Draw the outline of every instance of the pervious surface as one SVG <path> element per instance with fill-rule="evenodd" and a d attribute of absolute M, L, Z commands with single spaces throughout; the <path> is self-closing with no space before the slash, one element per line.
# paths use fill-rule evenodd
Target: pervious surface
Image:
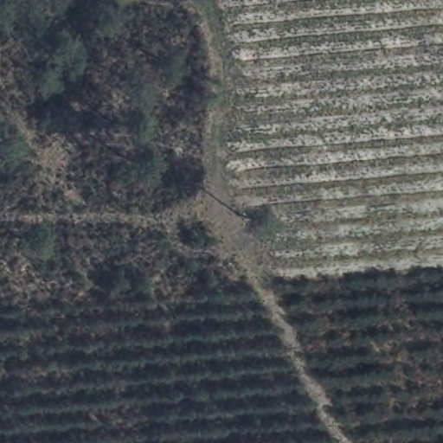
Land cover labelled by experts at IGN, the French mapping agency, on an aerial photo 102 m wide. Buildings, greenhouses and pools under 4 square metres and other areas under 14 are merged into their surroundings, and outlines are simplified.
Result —
<path fill-rule="evenodd" d="M 221 80 L 213 74 L 218 71 L 221 64 L 221 57 L 215 47 L 209 48 L 206 52 L 209 59 L 209 74 L 206 80 L 202 81 L 202 87 L 206 88 L 206 97 L 208 106 L 215 100 L 215 93 L 218 92 Z"/>

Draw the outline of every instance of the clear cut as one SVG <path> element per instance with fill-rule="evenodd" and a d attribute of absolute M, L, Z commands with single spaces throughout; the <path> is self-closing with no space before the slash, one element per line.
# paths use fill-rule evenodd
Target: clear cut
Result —
<path fill-rule="evenodd" d="M 218 92 L 215 93 L 215 100 L 208 106 L 202 144 L 204 154 L 201 163 L 206 175 L 202 178 L 199 192 L 204 192 L 211 199 L 227 208 L 228 213 L 239 218 L 247 218 L 246 232 L 256 235 L 261 223 L 266 220 L 266 213 L 272 211 L 275 218 L 284 221 L 289 227 L 275 232 L 275 244 L 275 251 L 296 249 L 301 251 L 301 256 L 310 258 L 329 254 L 336 256 L 337 263 L 401 260 L 415 258 L 417 254 L 443 256 L 443 0 L 218 0 L 218 7 L 225 19 L 225 33 L 241 48 L 241 52 L 234 54 L 234 57 L 237 57 L 234 66 L 223 67 L 221 64 L 218 71 L 213 74 L 221 80 Z"/>

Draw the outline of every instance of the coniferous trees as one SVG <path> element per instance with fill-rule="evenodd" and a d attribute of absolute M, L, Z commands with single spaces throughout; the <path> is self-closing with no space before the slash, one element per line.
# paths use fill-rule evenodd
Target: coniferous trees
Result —
<path fill-rule="evenodd" d="M 126 272 L 132 270 L 133 266 L 119 263 L 119 270 L 112 280 L 109 296 L 112 311 L 166 308 L 173 305 L 166 294 L 163 299 L 156 299 L 156 284 L 151 280 L 128 282 Z"/>
<path fill-rule="evenodd" d="M 395 299 L 369 296 L 320 303 L 298 301 L 284 308 L 287 324 L 291 324 L 296 332 L 301 351 L 315 353 L 336 346 L 356 344 L 370 348 L 372 341 L 386 341 L 386 334 L 350 339 L 350 331 L 355 327 L 381 324 L 384 315 L 365 315 L 329 322 L 327 313 L 348 306 L 395 305 Z"/>
<path fill-rule="evenodd" d="M 31 57 L 33 64 L 45 73 L 42 95 L 48 97 L 62 92 L 62 88 L 69 87 L 85 71 L 87 50 L 81 40 L 92 31 L 92 28 L 99 36 L 114 38 L 123 33 L 125 22 L 144 19 L 142 10 L 133 10 L 132 0 L 0 0 L 0 38 L 12 31 L 12 22 L 16 19 L 17 12 L 28 19 L 35 19 L 38 22 L 38 31 L 45 33 L 55 17 L 64 16 L 67 9 L 76 10 L 73 28 L 61 29 L 61 45 L 47 50 L 38 48 L 36 54 Z"/>
<path fill-rule="evenodd" d="M 43 241 L 40 256 L 42 260 L 48 260 L 54 253 L 59 234 L 52 232 Z"/>
<path fill-rule="evenodd" d="M 400 284 L 407 287 L 422 282 L 422 291 L 417 294 L 405 294 L 405 301 L 443 301 L 443 266 L 412 266 L 408 270 L 396 270 L 395 277 L 356 279 L 351 282 L 344 279 L 343 275 L 341 275 L 339 291 L 363 287 L 393 287 Z"/>
<path fill-rule="evenodd" d="M 396 379 L 396 372 L 381 370 L 362 376 L 322 377 L 317 381 L 325 391 L 337 386 L 343 391 L 350 391 L 353 386 L 393 382 Z"/>
<path fill-rule="evenodd" d="M 196 126 L 197 133 L 194 137 L 196 142 L 202 144 L 208 106 L 206 97 L 197 97 L 192 93 L 194 107 L 177 121 L 177 125 L 187 123 Z"/>
<path fill-rule="evenodd" d="M 407 381 L 424 386 L 427 386 L 431 379 L 443 381 L 443 348 L 426 348 L 408 353 L 405 362 L 405 365 L 410 365 L 410 372 L 405 374 Z"/>
<path fill-rule="evenodd" d="M 142 112 L 140 125 L 140 137 L 133 140 L 135 149 L 147 144 L 154 135 L 157 112 L 154 111 L 154 104 L 157 97 L 168 97 L 171 88 L 189 74 L 185 64 L 187 55 L 178 50 L 178 45 L 168 45 L 171 54 L 170 66 L 152 69 L 144 66 L 142 73 L 135 74 L 132 106 Z"/>
<path fill-rule="evenodd" d="M 272 320 L 270 310 L 263 305 L 258 310 L 189 313 L 190 322 L 241 320 L 253 317 L 266 317 Z"/>
<path fill-rule="evenodd" d="M 253 289 L 246 292 L 221 292 L 218 296 L 201 294 L 199 301 L 260 301 L 258 292 Z"/>
<path fill-rule="evenodd" d="M 362 422 L 389 421 L 393 417 L 393 408 L 398 401 L 405 400 L 408 405 L 417 407 L 417 401 L 429 395 L 427 391 L 408 391 L 396 395 L 381 393 L 339 396 L 331 401 L 331 403 L 336 407 L 363 401 L 388 403 L 386 412 L 365 412 L 360 415 L 334 417 L 341 429 L 343 426 L 360 426 Z"/>
<path fill-rule="evenodd" d="M 443 426 L 369 431 L 351 434 L 348 438 L 350 443 L 443 443 Z"/>
<path fill-rule="evenodd" d="M 275 244 L 275 232 L 289 227 L 284 221 L 275 218 L 272 211 L 266 213 L 266 220 L 261 223 L 256 235 L 258 241 Z"/>
<path fill-rule="evenodd" d="M 119 369 L 133 370 L 156 363 L 196 362 L 244 356 L 286 356 L 287 344 L 284 343 L 279 346 L 258 346 L 242 350 L 192 351 L 180 355 L 123 358 L 119 360 Z"/>
<path fill-rule="evenodd" d="M 104 322 L 81 320 L 80 324 L 66 325 L 66 332 L 80 334 L 118 331 L 123 327 L 137 325 L 161 327 L 177 324 L 177 317 L 170 315 Z"/>
<path fill-rule="evenodd" d="M 189 246 L 199 247 L 202 251 L 215 244 L 215 237 L 209 237 L 202 221 L 194 223 L 187 227 L 194 241 Z"/>
<path fill-rule="evenodd" d="M 275 286 L 272 292 L 277 299 L 289 292 L 315 291 L 313 279 L 308 279 L 306 284 L 301 286 Z"/>
<path fill-rule="evenodd" d="M 48 346 L 48 353 L 128 348 L 132 346 L 132 339 L 128 337 L 99 343 L 54 344 Z"/>
<path fill-rule="evenodd" d="M 196 400 L 280 395 L 280 386 L 251 386 L 201 391 L 197 393 Z"/>
<path fill-rule="evenodd" d="M 356 363 L 374 362 L 376 351 L 370 348 L 365 355 L 339 356 L 305 362 L 306 369 L 337 369 L 351 367 Z"/>
<path fill-rule="evenodd" d="M 196 374 L 170 372 L 166 376 L 135 377 L 125 381 L 106 379 L 59 386 L 0 389 L 0 398 L 61 395 L 83 389 L 87 393 L 95 389 L 123 391 L 151 384 L 239 379 L 254 374 L 292 372 L 298 376 L 298 370 L 291 362 L 286 365 L 251 365 L 241 369 L 201 370 Z"/>
<path fill-rule="evenodd" d="M 213 408 L 159 414 L 157 421 L 216 419 L 220 415 L 220 408 Z"/>
<path fill-rule="evenodd" d="M 14 337 L 29 339 L 52 336 L 57 332 L 57 325 L 0 331 L 0 341 Z"/>
<path fill-rule="evenodd" d="M 26 241 L 0 241 L 0 261 L 9 263 L 9 260 L 14 258 L 12 251 L 21 251 L 22 244 L 26 244 Z"/>
<path fill-rule="evenodd" d="M 284 331 L 273 324 L 260 329 L 235 329 L 208 334 L 190 332 L 175 336 L 151 337 L 149 346 L 170 346 L 171 343 L 182 344 L 190 341 L 218 343 L 234 337 L 282 337 Z"/>
<path fill-rule="evenodd" d="M 161 182 L 161 177 L 166 171 L 166 159 L 159 147 L 154 147 L 149 163 L 130 161 L 126 168 L 119 166 L 116 170 L 116 180 L 132 189 L 151 189 Z"/>
<path fill-rule="evenodd" d="M 17 377 L 42 377 L 48 374 L 74 374 L 81 370 L 97 370 L 100 369 L 100 360 L 87 360 L 17 367 L 14 374 Z"/>
<path fill-rule="evenodd" d="M 235 417 L 253 417 L 253 422 L 247 426 L 163 431 L 128 436 L 104 434 L 97 436 L 97 443 L 247 443 L 254 434 L 325 429 L 324 422 L 318 417 L 315 421 L 261 424 L 261 415 L 265 414 L 317 410 L 317 401 L 311 398 L 310 401 L 303 403 L 232 408 Z"/>
<path fill-rule="evenodd" d="M 19 133 L 16 135 L 16 142 L 10 147 L 10 170 L 21 163 L 24 157 L 29 151 L 29 140 Z"/>
<path fill-rule="evenodd" d="M 183 396 L 182 393 L 177 393 L 173 396 L 152 395 L 145 398 L 64 405 L 29 405 L 0 410 L 0 417 L 90 412 L 118 407 L 130 408 L 135 405 L 147 407 L 152 403 L 180 403 Z"/>
<path fill-rule="evenodd" d="M 88 419 L 0 427 L 0 443 L 9 443 L 10 438 L 16 434 L 93 429 L 99 427 L 99 421 Z"/>

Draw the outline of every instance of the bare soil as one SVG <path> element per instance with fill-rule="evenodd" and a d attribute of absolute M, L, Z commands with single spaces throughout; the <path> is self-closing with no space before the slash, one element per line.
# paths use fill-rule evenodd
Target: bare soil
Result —
<path fill-rule="evenodd" d="M 417 254 L 415 258 L 401 260 L 337 263 L 336 256 L 329 254 L 310 258 L 301 256 L 301 251 L 296 249 L 275 251 L 275 244 L 258 241 L 256 235 L 246 232 L 247 218 L 239 218 L 228 213 L 227 208 L 211 199 L 209 208 L 215 216 L 216 223 L 232 244 L 242 247 L 235 258 L 242 268 L 246 268 L 247 284 L 251 284 L 253 289 L 258 292 L 260 301 L 263 305 L 270 310 L 272 320 L 273 324 L 284 331 L 282 337 L 284 343 L 287 344 L 286 356 L 291 362 L 298 370 L 298 376 L 311 398 L 317 401 L 317 410 L 318 417 L 324 422 L 325 429 L 337 443 L 350 443 L 348 438 L 341 429 L 334 417 L 325 412 L 325 407 L 331 403 L 331 401 L 325 396 L 325 391 L 317 381 L 306 374 L 306 369 L 305 362 L 294 353 L 301 351 L 296 332 L 291 324 L 287 324 L 284 308 L 279 306 L 277 299 L 272 292 L 275 286 L 273 279 L 277 275 L 292 279 L 305 275 L 308 279 L 313 279 L 322 273 L 341 275 L 343 275 L 350 272 L 365 272 L 369 268 L 396 270 L 408 270 L 412 266 L 443 266 L 443 256 Z"/>

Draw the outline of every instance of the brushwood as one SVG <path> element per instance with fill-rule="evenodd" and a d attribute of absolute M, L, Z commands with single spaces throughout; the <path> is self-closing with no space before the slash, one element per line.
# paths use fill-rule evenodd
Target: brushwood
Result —
<path fill-rule="evenodd" d="M 317 410 L 265 414 L 261 415 L 261 424 L 315 421 L 318 417 Z"/>
<path fill-rule="evenodd" d="M 54 253 L 48 260 L 42 260 L 40 256 L 43 241 L 52 232 L 59 234 Z M 147 227 L 135 227 L 133 223 L 123 221 L 0 221 L 0 241 L 26 241 L 26 244 L 22 244 L 21 251 L 12 251 L 14 258 L 9 260 L 9 263 L 0 261 L 0 331 L 57 325 L 57 332 L 52 336 L 29 339 L 14 337 L 0 341 L 0 389 L 59 386 L 106 379 L 125 381 L 135 377 L 166 376 L 170 372 L 196 374 L 201 370 L 241 369 L 251 365 L 286 365 L 291 362 L 286 356 L 244 356 L 196 362 L 156 363 L 133 370 L 119 369 L 119 360 L 123 358 L 180 355 L 192 351 L 242 350 L 258 346 L 279 346 L 284 343 L 282 337 L 234 337 L 218 343 L 190 341 L 182 344 L 171 343 L 170 346 L 149 346 L 151 337 L 175 336 L 190 332 L 208 334 L 235 329 L 260 329 L 273 324 L 272 320 L 266 317 L 253 317 L 241 320 L 190 322 L 189 313 L 258 310 L 263 305 L 260 301 L 199 301 L 201 294 L 218 296 L 221 292 L 246 292 L 253 289 L 251 284 L 247 284 L 246 268 L 242 268 L 235 258 L 218 258 L 211 254 L 199 258 L 185 258 L 175 249 L 170 249 L 171 234 Z M 166 294 L 173 305 L 166 308 L 112 311 L 109 296 L 112 280 L 119 270 L 119 263 L 133 266 L 132 270 L 126 272 L 128 282 L 151 280 L 156 284 L 156 299 L 163 299 Z M 123 327 L 118 331 L 80 334 L 66 332 L 66 325 L 80 324 L 81 320 L 104 322 L 170 315 L 177 317 L 177 324 L 161 327 L 137 325 Z M 48 346 L 54 344 L 99 343 L 128 337 L 132 339 L 132 346 L 128 348 L 48 353 Z M 87 360 L 100 360 L 100 369 L 97 370 L 81 370 L 74 374 L 48 374 L 42 377 L 17 377 L 14 374 L 17 367 Z"/>
<path fill-rule="evenodd" d="M 381 324 L 355 327 L 350 331 L 350 339 L 386 334 L 386 341 L 372 341 L 370 348 L 376 351 L 374 362 L 356 363 L 351 367 L 337 369 L 306 369 L 306 374 L 317 381 L 322 377 L 362 376 L 381 370 L 396 372 L 396 379 L 393 382 L 353 386 L 350 391 L 343 391 L 337 386 L 325 391 L 325 396 L 331 401 L 339 396 L 381 393 L 396 395 L 408 391 L 427 391 L 429 395 L 417 401 L 417 407 L 408 405 L 405 400 L 398 401 L 393 408 L 393 417 L 389 421 L 362 422 L 360 426 L 343 426 L 341 429 L 348 438 L 351 434 L 369 431 L 443 426 L 443 381 L 431 379 L 427 386 L 424 386 L 407 381 L 405 374 L 410 372 L 410 365 L 405 365 L 405 362 L 408 353 L 426 348 L 443 348 L 443 301 L 405 301 L 405 294 L 417 294 L 422 291 L 422 282 L 407 287 L 400 284 L 393 287 L 363 287 L 339 291 L 341 275 L 322 273 L 313 279 L 315 291 L 289 292 L 277 299 L 279 306 L 284 308 L 298 301 L 320 303 L 369 296 L 395 299 L 395 305 L 348 306 L 327 313 L 329 322 L 365 315 L 384 315 Z"/>
<path fill-rule="evenodd" d="M 10 211 L 48 211 L 47 206 L 36 204 L 36 197 L 33 197 L 33 190 L 36 189 L 35 178 L 28 177 L 29 161 L 24 157 L 21 163 L 10 170 L 10 147 L 16 142 L 16 135 L 19 133 L 16 125 L 7 121 L 0 123 L 0 211 L 3 204 L 17 201 L 17 206 L 10 206 Z"/>
<path fill-rule="evenodd" d="M 196 400 L 197 393 L 201 391 L 251 386 L 280 386 L 280 395 Z M 180 403 L 152 403 L 147 407 L 135 405 L 130 408 L 118 407 L 90 412 L 0 417 L 0 427 L 88 419 L 99 421 L 99 427 L 93 429 L 16 434 L 10 438 L 9 443 L 97 443 L 97 436 L 104 434 L 128 436 L 163 431 L 247 426 L 253 422 L 253 417 L 235 417 L 232 408 L 303 403 L 310 401 L 311 398 L 298 376 L 292 372 L 254 374 L 239 379 L 151 384 L 123 391 L 95 389 L 87 393 L 83 389 L 61 395 L 0 398 L 0 410 L 29 405 L 64 405 L 145 398 L 152 395 L 173 396 L 177 393 L 182 393 L 183 396 Z M 159 414 L 213 408 L 220 408 L 220 415 L 216 419 L 157 421 Z"/>
<path fill-rule="evenodd" d="M 192 220 L 178 220 L 177 223 L 180 241 L 189 246 L 194 241 L 187 227 L 194 223 Z"/>
<path fill-rule="evenodd" d="M 337 443 L 325 429 L 254 434 L 247 443 Z"/>
<path fill-rule="evenodd" d="M 204 38 L 199 31 L 201 19 L 197 14 L 192 16 L 189 10 L 183 7 L 182 0 L 132 0 L 133 10 L 142 10 L 144 19 L 125 22 L 123 33 L 114 38 L 99 36 L 92 28 L 92 31 L 81 40 L 87 50 L 85 71 L 69 87 L 62 88 L 62 92 L 48 97 L 42 95 L 45 73 L 33 64 L 31 57 L 36 54 L 38 48 L 47 50 L 61 45 L 61 29 L 73 28 L 76 10 L 67 9 L 64 16 L 55 17 L 45 33 L 38 31 L 38 22 L 35 19 L 28 19 L 17 12 L 16 19 L 12 22 L 12 31 L 0 38 L 0 78 L 7 76 L 7 71 L 14 67 L 14 81 L 17 90 L 21 92 L 21 97 L 12 95 L 9 100 L 10 107 L 21 114 L 26 111 L 26 125 L 29 130 L 35 130 L 33 140 L 36 144 L 43 147 L 48 135 L 59 133 L 64 140 L 76 147 L 76 154 L 67 163 L 67 168 L 74 171 L 74 177 L 66 175 L 66 182 L 74 182 L 78 194 L 92 202 L 93 206 L 111 206 L 123 213 L 130 213 L 130 209 L 133 208 L 138 209 L 140 215 L 144 215 L 145 211 L 161 213 L 166 208 L 180 204 L 180 199 L 189 199 L 199 192 L 202 178 L 206 175 L 201 163 L 204 154 L 202 144 L 196 142 L 194 137 L 197 133 L 196 126 L 187 123 L 177 125 L 177 121 L 194 107 L 192 93 L 197 97 L 206 97 L 206 88 L 202 87 L 202 81 L 206 80 L 209 74 L 209 59 L 206 52 L 201 43 Z M 140 125 L 142 112 L 132 106 L 135 74 L 142 73 L 144 66 L 152 69 L 170 66 L 171 54 L 168 45 L 178 45 L 178 50 L 187 55 L 185 64 L 189 74 L 171 88 L 168 97 L 157 97 L 154 104 L 154 111 L 157 112 L 154 135 L 147 144 L 135 149 L 123 154 L 119 147 L 109 145 L 109 140 L 112 133 L 116 133 L 116 125 L 119 123 L 125 126 L 126 130 L 132 130 Z M 116 170 L 119 166 L 126 168 L 130 161 L 149 163 L 154 147 L 159 147 L 166 159 L 166 171 L 161 177 L 161 182 L 151 189 L 132 189 L 116 180 Z"/>
<path fill-rule="evenodd" d="M 294 353 L 305 362 L 339 356 L 365 355 L 370 348 L 356 344 L 336 346 L 315 353 L 301 351 Z"/>
<path fill-rule="evenodd" d="M 331 403 L 325 407 L 325 412 L 334 417 L 360 415 L 365 412 L 386 412 L 388 403 L 363 401 L 336 407 Z"/>
<path fill-rule="evenodd" d="M 305 275 L 292 279 L 277 275 L 273 279 L 275 286 L 301 286 L 306 284 L 308 279 Z"/>
<path fill-rule="evenodd" d="M 344 279 L 351 282 L 356 279 L 395 277 L 396 270 L 369 268 L 365 272 L 350 272 L 343 275 Z"/>

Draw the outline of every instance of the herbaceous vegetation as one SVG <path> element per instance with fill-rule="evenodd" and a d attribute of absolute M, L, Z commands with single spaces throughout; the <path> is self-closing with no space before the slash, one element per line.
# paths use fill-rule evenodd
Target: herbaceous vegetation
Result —
<path fill-rule="evenodd" d="M 197 14 L 201 19 L 199 31 L 204 38 L 201 43 L 206 52 L 209 48 L 215 47 L 221 57 L 221 64 L 223 67 L 234 66 L 237 57 L 234 57 L 234 54 L 241 52 L 241 48 L 225 33 L 225 19 L 218 7 L 218 0 L 182 0 L 183 7 L 189 10 L 192 16 Z"/>
<path fill-rule="evenodd" d="M 35 130 L 29 130 L 26 125 L 26 111 L 21 114 L 10 107 L 9 100 L 12 95 L 21 97 L 21 92 L 17 90 L 14 81 L 14 67 L 7 71 L 7 76 L 0 78 L 0 123 L 7 121 L 16 125 L 19 133 L 29 140 L 29 151 L 24 157 L 29 161 L 28 177 L 35 178 L 36 189 L 33 190 L 33 197 L 36 197 L 36 204 L 47 206 L 48 211 L 10 211 L 10 206 L 17 206 L 17 201 L 3 204 L 0 211 L 0 221 L 123 221 L 133 223 L 135 227 L 147 227 L 171 234 L 170 249 L 175 249 L 185 258 L 199 258 L 211 254 L 218 258 L 235 258 L 242 247 L 232 244 L 216 223 L 215 216 L 209 208 L 211 199 L 204 192 L 199 192 L 189 199 L 180 199 L 180 204 L 166 208 L 161 213 L 145 211 L 144 215 L 140 215 L 138 209 L 133 208 L 130 209 L 130 213 L 123 213 L 111 206 L 93 206 L 92 202 L 78 194 L 74 182 L 66 182 L 66 175 L 74 177 L 74 171 L 67 168 L 67 163 L 76 154 L 76 147 L 64 140 L 59 133 L 48 135 L 43 147 L 36 144 L 33 140 Z M 215 244 L 202 251 L 199 247 L 189 246 L 180 241 L 177 223 L 178 220 L 192 220 L 194 223 L 202 221 L 209 237 L 215 237 Z"/>
<path fill-rule="evenodd" d="M 119 123 L 116 125 L 116 133 L 112 133 L 109 140 L 109 145 L 119 147 L 123 154 L 135 149 L 133 140 L 140 137 L 140 125 L 132 130 L 126 130 L 125 126 Z"/>

